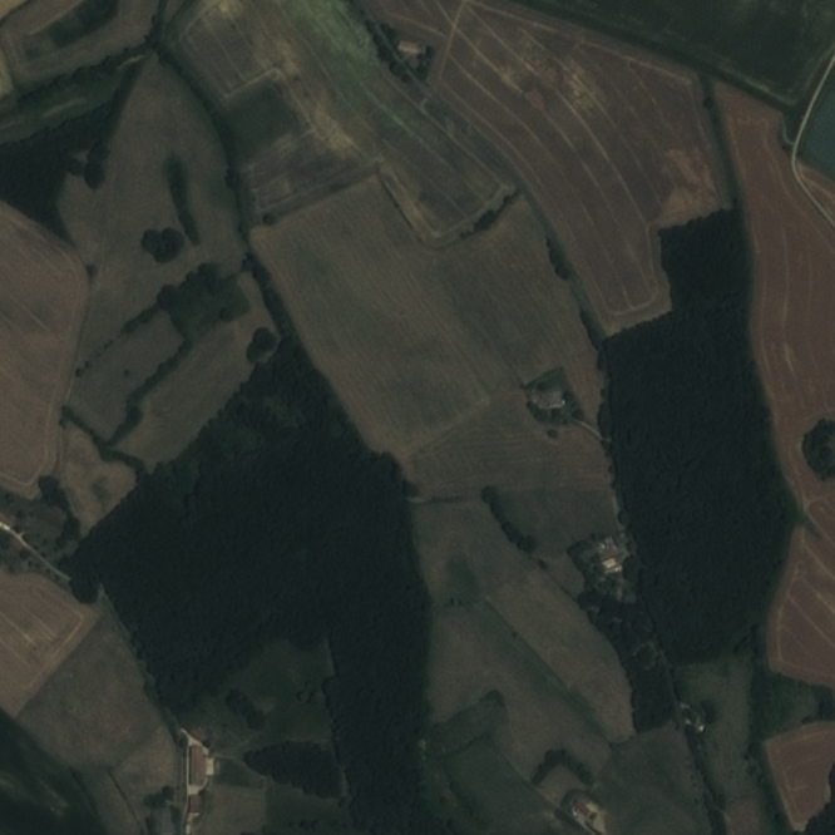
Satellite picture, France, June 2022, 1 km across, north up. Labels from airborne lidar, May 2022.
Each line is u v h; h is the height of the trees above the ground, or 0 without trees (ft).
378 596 54
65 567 53
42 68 0
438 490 0
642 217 0
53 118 0
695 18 0
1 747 0
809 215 0
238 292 0
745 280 36
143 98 0
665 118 0
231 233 0
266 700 0
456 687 0
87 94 0
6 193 29
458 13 0
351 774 61
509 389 0
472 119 0
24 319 0
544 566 57
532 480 0
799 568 0
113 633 0
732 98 0
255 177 0
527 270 0
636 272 0
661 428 64
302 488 54
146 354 0
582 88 0
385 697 58
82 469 0
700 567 61
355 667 67
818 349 0
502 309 0
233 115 0
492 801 0
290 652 0
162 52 40
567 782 0
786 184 0
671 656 44
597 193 0
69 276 0
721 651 57
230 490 55
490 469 0
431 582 0
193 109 0
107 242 0
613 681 0
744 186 0
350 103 0
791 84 0
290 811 0
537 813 0
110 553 59
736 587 61
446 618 0
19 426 0
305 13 0
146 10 0
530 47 0
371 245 0
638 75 0
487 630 0
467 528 0
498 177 0
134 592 51
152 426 0
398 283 0
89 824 0
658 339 54
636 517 66
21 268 0
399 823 81
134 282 0
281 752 52
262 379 59
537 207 0
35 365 0
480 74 0
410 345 0
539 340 0
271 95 0
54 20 0
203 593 66
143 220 0
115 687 0
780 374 0
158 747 0
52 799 0
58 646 0
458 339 0
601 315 0
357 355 0
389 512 72
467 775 0
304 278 0
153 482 51
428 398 0
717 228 37
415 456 0
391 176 0
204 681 72
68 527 38
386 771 78
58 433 0
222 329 0
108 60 35
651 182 0
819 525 0
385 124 0
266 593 82
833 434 26
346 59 0
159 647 73
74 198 0
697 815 0
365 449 34
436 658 0
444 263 0
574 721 0
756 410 81
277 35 0
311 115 0
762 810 0
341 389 0
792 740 0
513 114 0
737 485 57
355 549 68
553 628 0
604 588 34
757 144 0
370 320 0
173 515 54
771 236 0
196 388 0
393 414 0
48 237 0
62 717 0
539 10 0
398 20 0
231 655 71
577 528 0
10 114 0
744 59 0
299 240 0
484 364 0
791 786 0
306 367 23
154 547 51
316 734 0
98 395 0
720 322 75
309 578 66
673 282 26
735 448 71
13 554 0
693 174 0
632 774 0
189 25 0
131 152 0
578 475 0
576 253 0
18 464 0
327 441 50
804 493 0
